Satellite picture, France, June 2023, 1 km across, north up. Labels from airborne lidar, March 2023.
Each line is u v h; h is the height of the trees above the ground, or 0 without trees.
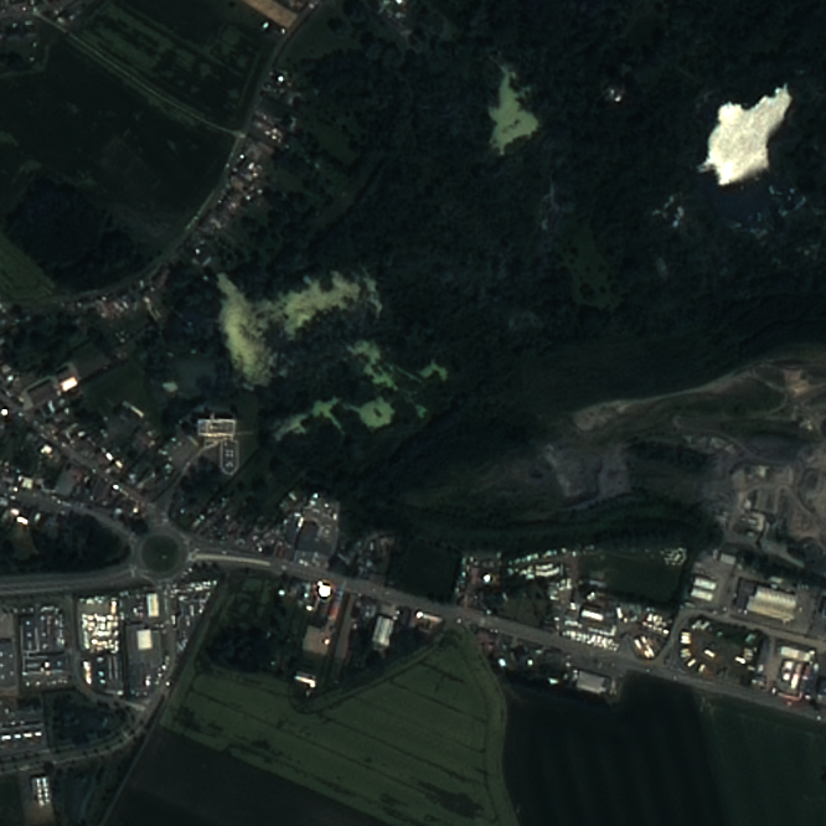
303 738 0
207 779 0
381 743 0
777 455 0
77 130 0
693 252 11
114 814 0
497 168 15
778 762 0
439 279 13
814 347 0
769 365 0
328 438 18
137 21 0
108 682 0
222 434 0
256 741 0
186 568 0
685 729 0
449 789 0
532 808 0
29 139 0
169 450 0
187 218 0
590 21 28
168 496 0
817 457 0
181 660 0
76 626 0
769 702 0
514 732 0
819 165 22
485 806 0
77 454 0
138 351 0
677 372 0
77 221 36
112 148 0
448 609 0
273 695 0
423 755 0
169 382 0
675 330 16
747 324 7
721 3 31
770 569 13
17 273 0
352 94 22
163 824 0
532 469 0
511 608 0
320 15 0
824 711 0
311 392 8
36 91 0
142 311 0
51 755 0
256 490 11
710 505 0
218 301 16
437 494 0
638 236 12
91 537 20
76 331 16
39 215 34
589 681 0
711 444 0
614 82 23
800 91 6
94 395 0
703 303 6
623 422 0
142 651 0
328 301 0
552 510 0
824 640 0
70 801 0
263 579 0
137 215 0
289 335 0
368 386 23
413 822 0
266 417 17
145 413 0
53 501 0
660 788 0
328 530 0
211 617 0
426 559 0
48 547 14
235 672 0
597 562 0
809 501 0
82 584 0
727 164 0
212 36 0
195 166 0
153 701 0
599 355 0
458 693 0
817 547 0
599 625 0
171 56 0
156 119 0
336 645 0
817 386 0
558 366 0
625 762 0
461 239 6
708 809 0
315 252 20
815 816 0
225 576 0
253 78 0
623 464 0
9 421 10
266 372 0
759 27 21
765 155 0
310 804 0
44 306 0
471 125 20
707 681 0
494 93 15
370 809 0
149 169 0
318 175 7
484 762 0
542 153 5
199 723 0
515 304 7
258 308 0
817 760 0
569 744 0
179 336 15
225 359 17
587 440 0
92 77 0
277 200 17
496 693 0
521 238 8
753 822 0
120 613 0
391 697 0
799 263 11
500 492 0
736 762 0
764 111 0
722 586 0
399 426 19
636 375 0
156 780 0
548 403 0
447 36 0
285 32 0
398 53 22
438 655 0
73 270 27
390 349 18
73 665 0
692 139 8
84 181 0
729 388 0
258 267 21
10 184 0
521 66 21
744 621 0
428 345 16
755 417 0
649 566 0
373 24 0
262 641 25
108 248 22
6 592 0
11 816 0
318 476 17
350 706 0
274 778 0
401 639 20
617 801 0
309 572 0
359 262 6
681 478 0
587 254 0
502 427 8
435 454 7
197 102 0
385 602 0
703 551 0
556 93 13
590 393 0
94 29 0
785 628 0
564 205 19
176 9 0
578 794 0
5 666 0
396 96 11
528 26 24
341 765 0
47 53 0
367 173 0
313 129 0
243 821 0
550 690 24
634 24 0
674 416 0
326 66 17
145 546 0
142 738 6
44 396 0
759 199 0
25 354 0
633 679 0
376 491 6
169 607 0
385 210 24
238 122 0
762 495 0
